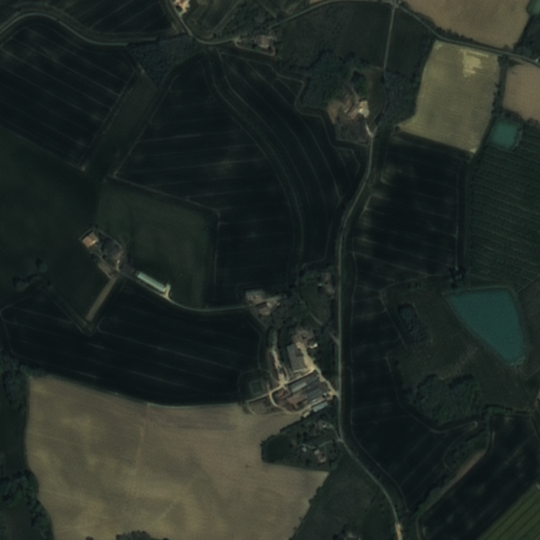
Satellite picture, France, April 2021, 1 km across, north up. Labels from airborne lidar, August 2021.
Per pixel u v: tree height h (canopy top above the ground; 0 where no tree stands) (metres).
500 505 0
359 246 0
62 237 0
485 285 0
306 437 11
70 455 0
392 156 0
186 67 0
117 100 0
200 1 0
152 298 0
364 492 0
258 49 13
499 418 0
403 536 8
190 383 0
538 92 0
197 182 0
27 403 0
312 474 0
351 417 0
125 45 0
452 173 0
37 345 0
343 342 0
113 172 0
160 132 0
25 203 0
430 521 0
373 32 0
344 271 0
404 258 0
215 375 0
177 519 0
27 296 0
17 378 14
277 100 0
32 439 0
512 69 0
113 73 0
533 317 6
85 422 0
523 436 0
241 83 0
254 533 0
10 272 0
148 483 0
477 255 7
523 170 6
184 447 0
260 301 0
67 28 0
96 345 0
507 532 0
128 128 0
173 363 0
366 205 0
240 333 0
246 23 9
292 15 0
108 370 0
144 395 0
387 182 0
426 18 11
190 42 14
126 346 0
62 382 0
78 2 0
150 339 0
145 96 0
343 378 9
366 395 0
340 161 0
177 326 0
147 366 0
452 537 0
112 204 0
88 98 0
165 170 0
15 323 0
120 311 0
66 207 0
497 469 0
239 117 0
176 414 0
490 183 7
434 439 0
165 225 0
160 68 14
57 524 0
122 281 0
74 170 0
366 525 0
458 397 20
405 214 0
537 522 0
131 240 0
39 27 0
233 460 0
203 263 0
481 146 0
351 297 0
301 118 0
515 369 0
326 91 18
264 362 0
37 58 0
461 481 0
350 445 0
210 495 0
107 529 0
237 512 0
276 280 0
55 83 0
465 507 0
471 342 6
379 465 0
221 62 0
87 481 0
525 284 6
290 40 0
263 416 0
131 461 0
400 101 17
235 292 0
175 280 0
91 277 0
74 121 0
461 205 0
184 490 0
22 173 0
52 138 0
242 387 0
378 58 0
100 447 0
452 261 0
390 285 0
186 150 0
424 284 0
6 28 0
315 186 0
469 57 0
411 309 14
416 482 0
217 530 0
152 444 0
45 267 17
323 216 0
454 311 0
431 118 0
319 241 0
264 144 0
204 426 0
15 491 23
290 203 0
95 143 0
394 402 0
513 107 0
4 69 0
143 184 0
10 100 0
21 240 0
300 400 0
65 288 0
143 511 0
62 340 0
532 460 0
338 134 19
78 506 0
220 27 0
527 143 6
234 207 0
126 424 0
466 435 0
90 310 0
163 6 0
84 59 0
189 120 0
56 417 0
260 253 0
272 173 0
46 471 0
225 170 0
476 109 0
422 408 17
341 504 0
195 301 0
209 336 0
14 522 0
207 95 0
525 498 0
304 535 0
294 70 11
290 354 0
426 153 0
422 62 10
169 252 0
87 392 0
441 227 0
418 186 0
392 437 0
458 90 0
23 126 0
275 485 0
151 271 0
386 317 0
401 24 0
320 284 6
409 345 0
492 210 6
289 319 8
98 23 0
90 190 0
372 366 0
